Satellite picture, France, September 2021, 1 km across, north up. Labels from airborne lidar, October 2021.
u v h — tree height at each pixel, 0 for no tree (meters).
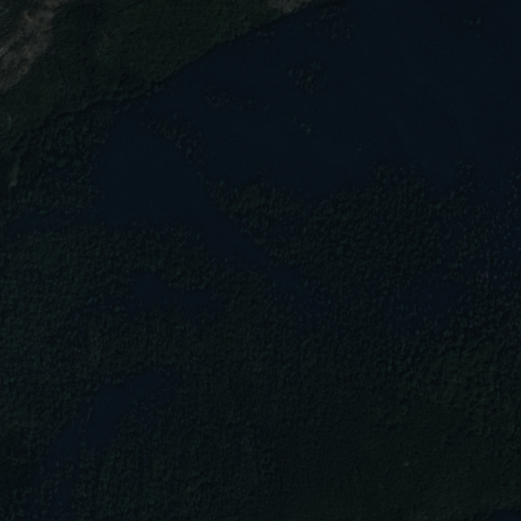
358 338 19
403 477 24
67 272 24
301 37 20
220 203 23
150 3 25
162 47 26
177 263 22
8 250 11
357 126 18
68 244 17
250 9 20
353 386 25
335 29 23
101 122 14
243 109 23
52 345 29
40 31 7
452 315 31
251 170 17
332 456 19
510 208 29
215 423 23
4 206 22
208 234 24
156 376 23
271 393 17
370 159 22
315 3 19
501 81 24
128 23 16
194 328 24
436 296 25
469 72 25
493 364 19
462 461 19
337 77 23
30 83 14
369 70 14
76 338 8
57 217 20
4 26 10
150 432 24
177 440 20
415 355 13
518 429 30
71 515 24
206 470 20
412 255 30
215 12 16
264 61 21
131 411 17
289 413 16
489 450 24
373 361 21
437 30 23
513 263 23
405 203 27
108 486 18
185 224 16
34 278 22
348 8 25
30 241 10
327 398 24
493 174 22
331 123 22
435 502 20
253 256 35
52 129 18
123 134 18
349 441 21
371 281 27
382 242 30
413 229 32
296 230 21
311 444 18
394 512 21
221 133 28
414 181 25
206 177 24
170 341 27
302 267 22
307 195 26
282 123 25
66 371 24
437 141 22
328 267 24
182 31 26
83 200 19
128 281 23
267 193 21
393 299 31
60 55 26
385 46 10
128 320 19
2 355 20
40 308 17
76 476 20
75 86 22
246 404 16
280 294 23
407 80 13
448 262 21
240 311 19
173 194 29
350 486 23
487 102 25
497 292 27
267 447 24
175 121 24
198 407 27
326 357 20
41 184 21
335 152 21
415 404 23
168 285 27
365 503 23
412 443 26
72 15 24
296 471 21
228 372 13
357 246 27
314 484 18
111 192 19
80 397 22
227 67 23
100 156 13
